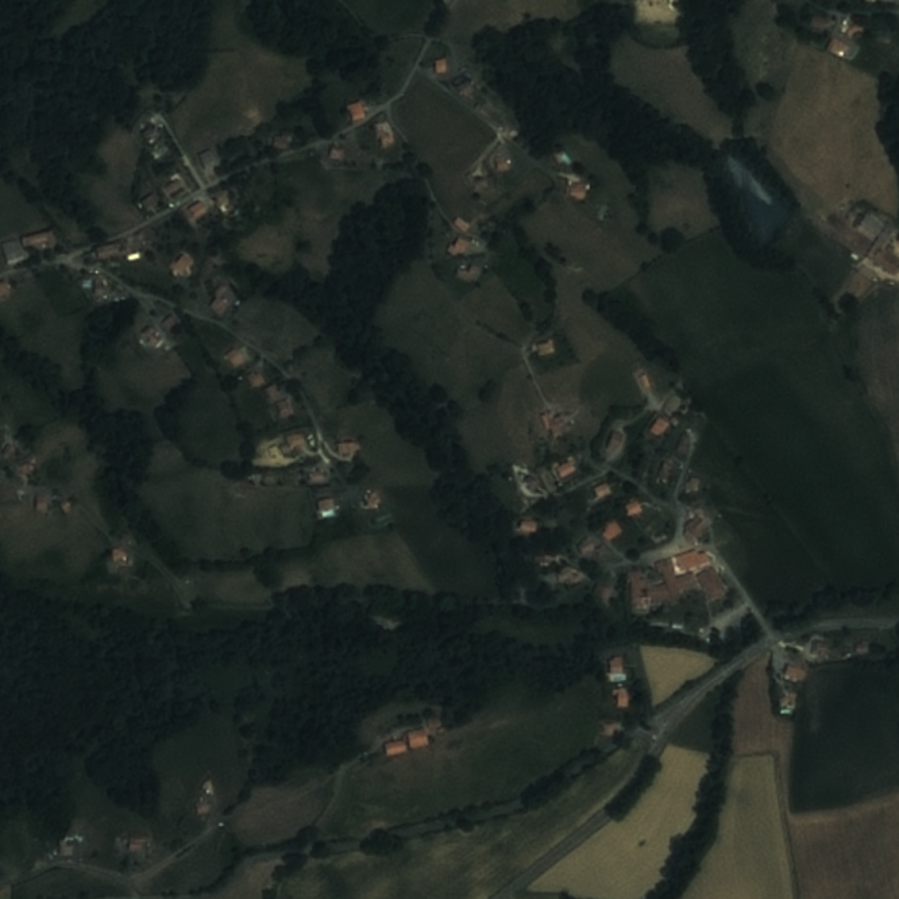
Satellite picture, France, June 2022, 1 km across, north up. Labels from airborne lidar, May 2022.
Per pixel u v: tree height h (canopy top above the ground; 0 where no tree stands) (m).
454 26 0
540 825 0
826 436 0
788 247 0
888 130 20
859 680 0
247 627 16
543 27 20
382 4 0
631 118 25
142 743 24
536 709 0
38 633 17
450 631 19
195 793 0
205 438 0
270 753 24
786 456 0
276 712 10
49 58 11
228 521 0
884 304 0
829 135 0
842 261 0
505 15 0
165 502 0
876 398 0
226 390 12
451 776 0
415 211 13
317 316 11
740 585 0
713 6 23
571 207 0
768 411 0
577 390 0
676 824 0
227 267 9
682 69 0
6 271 0
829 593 14
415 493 0
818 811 0
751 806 0
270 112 0
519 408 0
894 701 0
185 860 0
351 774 0
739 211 19
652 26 0
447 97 0
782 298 0
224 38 0
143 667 22
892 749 0
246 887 0
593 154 0
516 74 26
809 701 0
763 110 0
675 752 0
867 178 0
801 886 0
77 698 17
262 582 7
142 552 0
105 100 27
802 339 0
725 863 0
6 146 16
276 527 0
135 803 22
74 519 0
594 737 0
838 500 0
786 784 0
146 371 0
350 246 29
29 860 0
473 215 0
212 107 0
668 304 0
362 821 0
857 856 0
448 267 0
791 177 0
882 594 14
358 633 18
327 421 0
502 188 0
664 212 0
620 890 0
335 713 17
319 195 0
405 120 0
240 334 0
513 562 21
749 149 16
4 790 21
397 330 0
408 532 0
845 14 14
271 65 0
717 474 0
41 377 18
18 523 0
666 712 0
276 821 0
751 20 0
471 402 0
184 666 14
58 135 16
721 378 0
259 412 0
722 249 0
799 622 26
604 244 0
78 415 11
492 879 0
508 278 0
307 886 0
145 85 12
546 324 7
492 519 19
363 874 0
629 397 0
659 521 0
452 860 0
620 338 0
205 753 0
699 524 0
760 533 0
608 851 0
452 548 0
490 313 0
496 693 0
